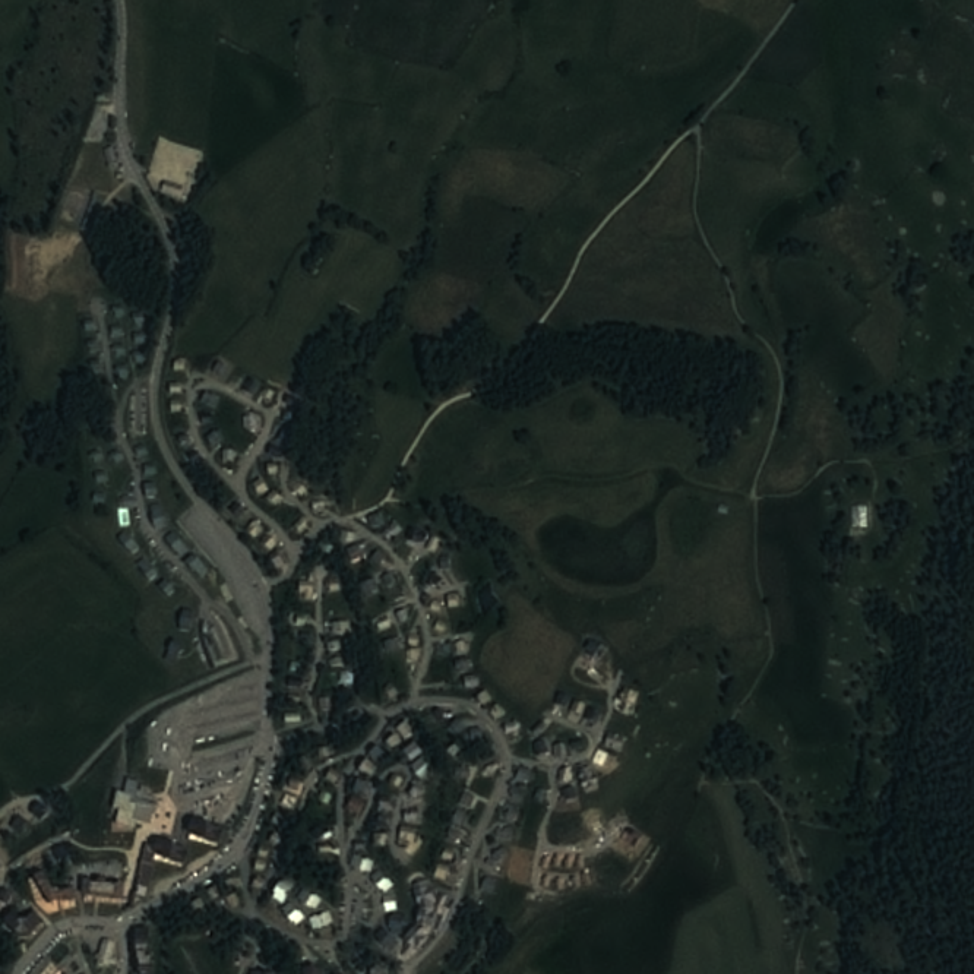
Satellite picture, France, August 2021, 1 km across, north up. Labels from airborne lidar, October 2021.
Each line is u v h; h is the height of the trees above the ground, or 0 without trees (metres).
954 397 8
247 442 0
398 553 0
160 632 0
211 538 0
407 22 0
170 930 11
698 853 0
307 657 10
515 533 12
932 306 0
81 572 0
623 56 0
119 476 0
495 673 0
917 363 0
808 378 0
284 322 0
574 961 0
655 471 0
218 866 0
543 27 0
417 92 0
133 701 0
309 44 0
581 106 0
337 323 15
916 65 0
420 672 0
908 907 15
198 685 0
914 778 22
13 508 0
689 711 0
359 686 16
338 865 10
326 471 10
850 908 16
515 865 0
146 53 0
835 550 15
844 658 0
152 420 0
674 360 16
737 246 0
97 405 20
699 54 0
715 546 0
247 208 0
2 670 0
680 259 0
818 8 0
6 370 19
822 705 0
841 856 0
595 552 0
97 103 0
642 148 0
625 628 0
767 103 0
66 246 0
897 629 15
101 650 0
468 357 33
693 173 0
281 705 12
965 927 8
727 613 0
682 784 0
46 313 0
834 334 0
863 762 10
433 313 0
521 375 12
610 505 0
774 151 0
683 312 0
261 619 0
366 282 0
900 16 0
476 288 0
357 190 0
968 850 8
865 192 0
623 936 0
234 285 0
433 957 0
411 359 0
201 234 18
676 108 0
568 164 0
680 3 0
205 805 0
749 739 17
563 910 0
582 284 0
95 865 0
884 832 11
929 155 0
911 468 0
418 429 0
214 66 0
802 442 0
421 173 0
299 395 16
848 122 0
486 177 0
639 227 0
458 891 0
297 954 7
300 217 0
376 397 0
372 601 0
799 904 9
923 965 11
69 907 0
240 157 0
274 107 0
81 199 0
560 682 0
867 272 0
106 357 0
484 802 0
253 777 0
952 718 8
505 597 0
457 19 0
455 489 0
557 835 0
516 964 0
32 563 0
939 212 0
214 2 0
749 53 0
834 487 7
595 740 0
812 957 0
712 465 11
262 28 0
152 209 0
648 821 0
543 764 0
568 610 0
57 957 0
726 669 18
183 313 25
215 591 0
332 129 0
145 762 0
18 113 0
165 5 0
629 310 0
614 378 14
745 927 0
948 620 15
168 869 0
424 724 16
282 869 19
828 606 0
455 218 0
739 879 0
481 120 0
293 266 0
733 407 22
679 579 0
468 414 0
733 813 0
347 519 0
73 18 6
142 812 0
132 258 26
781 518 0
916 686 17
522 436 15
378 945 0
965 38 0
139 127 0
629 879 0
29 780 0
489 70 0
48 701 0
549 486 0
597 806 0
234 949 16
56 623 0
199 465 18
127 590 0
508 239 0
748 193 0
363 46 0
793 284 0
